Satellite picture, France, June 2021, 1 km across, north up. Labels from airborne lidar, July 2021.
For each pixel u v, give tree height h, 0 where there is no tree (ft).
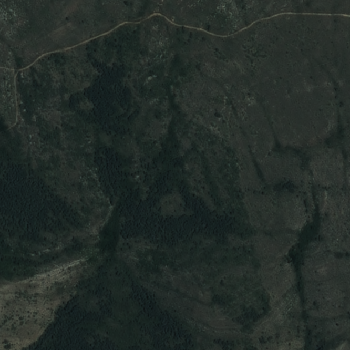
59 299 0
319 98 0
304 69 0
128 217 27
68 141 0
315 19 0
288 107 0
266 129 0
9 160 22
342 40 0
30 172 27
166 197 0
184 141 0
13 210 43
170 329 29
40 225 45
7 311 0
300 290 18
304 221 0
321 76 0
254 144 0
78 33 0
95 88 31
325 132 0
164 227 26
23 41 0
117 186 23
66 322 22
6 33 0
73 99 37
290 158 0
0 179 34
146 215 42
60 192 0
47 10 0
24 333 0
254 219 0
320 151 0
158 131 0
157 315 44
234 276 0
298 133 0
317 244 0
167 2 0
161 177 24
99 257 0
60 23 0
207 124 0
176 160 28
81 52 0
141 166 23
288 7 0
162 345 26
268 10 0
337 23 0
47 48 0
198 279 0
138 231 30
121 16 0
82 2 0
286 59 0
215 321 0
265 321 0
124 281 20
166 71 0
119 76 28
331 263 0
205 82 0
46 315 0
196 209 36
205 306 0
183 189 23
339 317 0
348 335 0
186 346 28
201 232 25
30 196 35
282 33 0
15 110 0
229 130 0
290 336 0
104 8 0
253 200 0
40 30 0
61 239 0
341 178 0
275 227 0
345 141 0
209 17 0
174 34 0
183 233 33
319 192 0
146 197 22
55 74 0
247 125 0
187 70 0
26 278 0
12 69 0
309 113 0
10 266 0
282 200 0
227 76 0
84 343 24
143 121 0
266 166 0
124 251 0
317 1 0
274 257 0
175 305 0
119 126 31
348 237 0
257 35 0
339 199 0
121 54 17
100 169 26
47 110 0
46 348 25
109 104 45
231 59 0
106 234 20
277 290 0
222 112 0
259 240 0
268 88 0
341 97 0
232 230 33
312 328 0
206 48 0
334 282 0
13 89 0
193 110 0
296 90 0
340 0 0
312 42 0
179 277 0
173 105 18
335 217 0
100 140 0
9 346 18
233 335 0
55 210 26
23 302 0
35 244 0
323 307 0
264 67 0
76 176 0
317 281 0
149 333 22
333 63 0
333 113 0
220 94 0
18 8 0
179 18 0
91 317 36
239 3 0
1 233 22
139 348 22
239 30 0
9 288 0
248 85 0
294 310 0
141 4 0
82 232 0
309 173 0
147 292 29
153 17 0
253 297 0
